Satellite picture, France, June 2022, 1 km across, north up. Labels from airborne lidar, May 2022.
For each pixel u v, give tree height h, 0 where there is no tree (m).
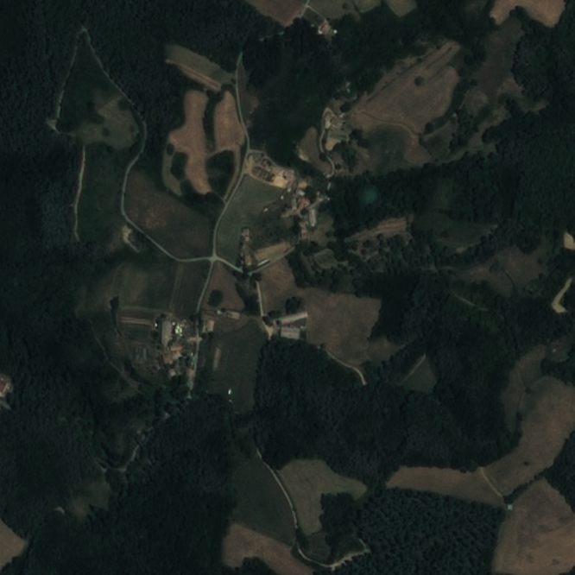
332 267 7
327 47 10
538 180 20
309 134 0
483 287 10
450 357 15
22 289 18
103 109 0
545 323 19
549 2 0
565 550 0
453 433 21
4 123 22
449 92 0
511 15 11
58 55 16
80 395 9
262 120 0
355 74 7
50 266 14
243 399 0
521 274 0
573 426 0
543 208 17
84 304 0
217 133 0
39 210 13
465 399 21
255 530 0
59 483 18
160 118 18
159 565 21
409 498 27
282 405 19
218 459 11
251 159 0
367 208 9
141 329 0
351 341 0
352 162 14
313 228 0
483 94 0
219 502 22
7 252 16
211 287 0
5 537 0
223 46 14
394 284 6
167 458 19
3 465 19
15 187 15
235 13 21
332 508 18
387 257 7
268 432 21
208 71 0
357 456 15
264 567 19
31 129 21
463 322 16
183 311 0
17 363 26
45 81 20
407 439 7
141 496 24
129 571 17
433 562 16
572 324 20
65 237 15
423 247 9
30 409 20
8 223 18
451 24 0
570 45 15
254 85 11
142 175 0
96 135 0
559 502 0
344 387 6
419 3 7
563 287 7
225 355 0
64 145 16
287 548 0
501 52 0
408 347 14
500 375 16
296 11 0
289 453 19
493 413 18
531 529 0
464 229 0
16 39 12
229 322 0
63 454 20
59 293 16
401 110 0
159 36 20
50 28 13
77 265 6
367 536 26
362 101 0
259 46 17
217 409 15
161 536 20
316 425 18
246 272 11
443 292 17
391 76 0
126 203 0
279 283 0
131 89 14
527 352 11
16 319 23
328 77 6
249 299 6
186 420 16
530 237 13
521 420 9
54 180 17
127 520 21
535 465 0
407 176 20
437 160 7
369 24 8
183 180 0
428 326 20
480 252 18
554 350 0
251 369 0
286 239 0
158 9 21
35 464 20
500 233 17
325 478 0
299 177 0
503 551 0
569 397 0
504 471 0
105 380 8
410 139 0
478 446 20
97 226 0
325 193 8
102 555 25
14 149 21
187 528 23
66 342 9
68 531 17
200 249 0
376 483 13
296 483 0
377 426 17
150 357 0
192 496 22
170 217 0
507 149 19
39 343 23
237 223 0
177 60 0
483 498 0
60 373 27
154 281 0
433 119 0
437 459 17
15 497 20
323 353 18
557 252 15
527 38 12
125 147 0
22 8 11
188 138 0
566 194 19
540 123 27
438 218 0
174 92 14
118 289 0
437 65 0
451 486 0
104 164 0
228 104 0
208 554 26
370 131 0
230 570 15
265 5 0
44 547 15
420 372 0
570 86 14
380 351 0
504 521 17
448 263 11
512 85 0
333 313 0
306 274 11
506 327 9
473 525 25
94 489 0
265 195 0
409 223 7
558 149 17
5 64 10
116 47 22
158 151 6
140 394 8
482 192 12
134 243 0
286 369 19
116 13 19
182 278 0
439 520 33
